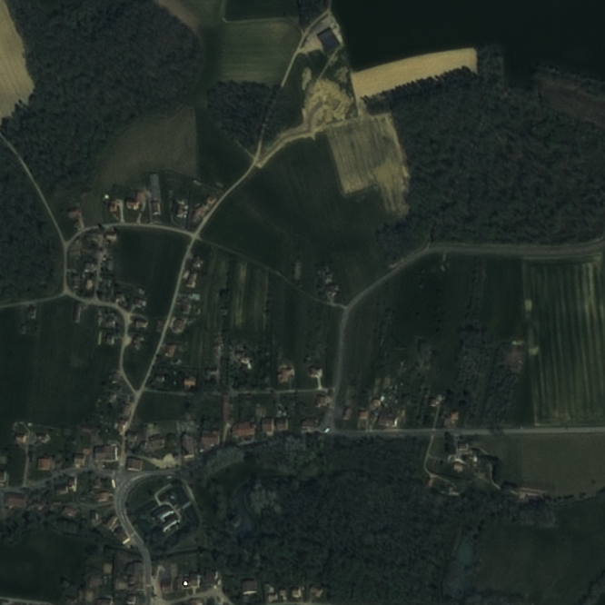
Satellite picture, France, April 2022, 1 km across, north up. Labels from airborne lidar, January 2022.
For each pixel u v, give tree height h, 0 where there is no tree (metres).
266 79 0
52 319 0
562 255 0
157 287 0
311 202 0
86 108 28
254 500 30
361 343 0
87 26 12
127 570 8
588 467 0
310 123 0
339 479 19
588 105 0
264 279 0
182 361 0
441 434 0
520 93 24
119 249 0
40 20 23
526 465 0
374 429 0
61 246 0
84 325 0
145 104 27
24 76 0
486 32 0
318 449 22
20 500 0
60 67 29
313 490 22
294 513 23
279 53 0
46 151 12
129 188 0
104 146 26
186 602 0
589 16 0
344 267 0
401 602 26
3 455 0
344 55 0
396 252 26
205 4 0
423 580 27
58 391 0
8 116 0
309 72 0
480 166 31
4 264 28
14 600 0
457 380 7
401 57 0
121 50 29
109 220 0
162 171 0
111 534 0
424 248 11
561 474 0
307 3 23
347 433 0
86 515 0
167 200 0
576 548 0
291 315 0
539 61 0
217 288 0
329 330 0
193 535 18
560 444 0
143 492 0
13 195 26
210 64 0
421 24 0
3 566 0
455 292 0
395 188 0
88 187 0
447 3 0
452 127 29
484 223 30
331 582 20
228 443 0
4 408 0
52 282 25
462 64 0
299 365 0
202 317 0
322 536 28
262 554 25
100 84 26
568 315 0
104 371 0
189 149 0
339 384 0
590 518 0
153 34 27
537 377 0
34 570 0
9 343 0
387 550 11
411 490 23
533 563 0
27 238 32
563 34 0
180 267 0
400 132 25
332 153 0
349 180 0
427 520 24
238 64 0
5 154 25
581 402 0
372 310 0
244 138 19
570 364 0
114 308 0
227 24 0
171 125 0
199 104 0
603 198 25
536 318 0
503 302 0
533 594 0
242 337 0
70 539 0
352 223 0
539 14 0
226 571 25
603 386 0
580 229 24
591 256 0
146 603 0
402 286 0
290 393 0
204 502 0
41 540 0
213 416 0
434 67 0
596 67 0
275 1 0
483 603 33
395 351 0
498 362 6
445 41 0
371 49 0
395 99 21
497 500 17
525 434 0
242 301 0
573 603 0
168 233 0
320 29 0
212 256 0
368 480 23
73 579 0
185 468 0
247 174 0
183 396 0
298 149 0
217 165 0
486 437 0
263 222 0
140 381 0
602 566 0
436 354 8
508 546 0
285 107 19
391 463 20
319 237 0
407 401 9
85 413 0
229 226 0
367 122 0
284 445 26
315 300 0
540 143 30
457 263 0
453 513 24
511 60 0
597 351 0
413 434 0
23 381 0
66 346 0
